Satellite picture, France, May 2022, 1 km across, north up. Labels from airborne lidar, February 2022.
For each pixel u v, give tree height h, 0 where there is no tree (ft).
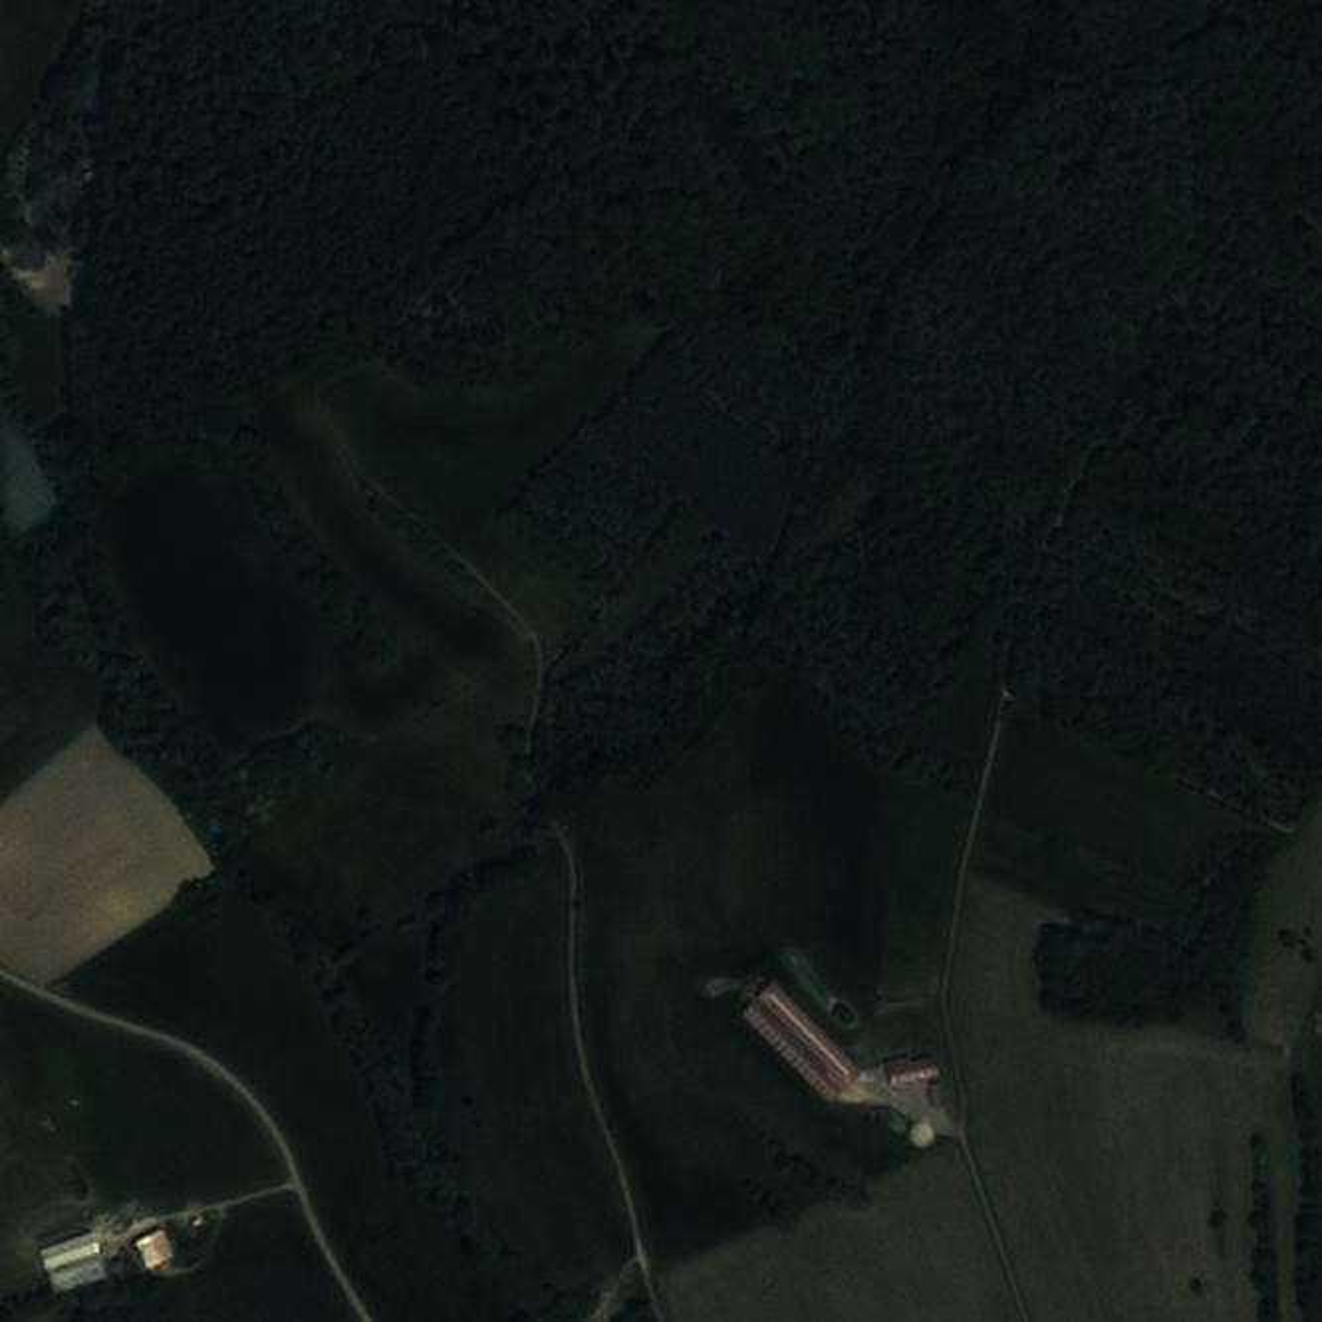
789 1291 0
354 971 0
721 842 0
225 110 92
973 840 0
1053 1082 0
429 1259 0
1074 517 39
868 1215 0
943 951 0
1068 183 87
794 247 48
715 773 0
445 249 96
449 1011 0
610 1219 0
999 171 95
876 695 39
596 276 101
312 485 0
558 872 0
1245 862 30
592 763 58
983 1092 0
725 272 73
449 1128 0
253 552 0
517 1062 0
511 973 0
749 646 45
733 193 75
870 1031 0
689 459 51
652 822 0
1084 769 0
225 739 0
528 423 0
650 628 42
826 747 0
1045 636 63
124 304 71
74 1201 0
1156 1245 0
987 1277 0
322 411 0
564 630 0
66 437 75
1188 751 47
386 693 0
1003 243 57
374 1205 0
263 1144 0
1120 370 85
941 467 70
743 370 47
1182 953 44
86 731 0
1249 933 26
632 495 23
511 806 0
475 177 63
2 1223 0
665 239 109
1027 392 90
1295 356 62
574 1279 0
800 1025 0
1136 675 45
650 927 0
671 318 51
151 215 80
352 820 0
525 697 0
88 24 53
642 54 100
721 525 52
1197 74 75
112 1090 0
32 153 55
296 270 80
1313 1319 23
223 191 87
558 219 110
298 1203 0
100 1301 54
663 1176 0
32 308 20
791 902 0
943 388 85
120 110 69
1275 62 87
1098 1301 0
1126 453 63
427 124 73
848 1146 0
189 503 0
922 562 24
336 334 56
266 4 66
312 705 0
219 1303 0
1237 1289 0
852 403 69
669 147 106
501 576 0
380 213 78
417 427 0
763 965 0
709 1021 0
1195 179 64
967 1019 0
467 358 88
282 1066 0
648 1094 0
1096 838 0
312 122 75
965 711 0
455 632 0
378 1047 32
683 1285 0
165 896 0
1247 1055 0
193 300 81
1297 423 74
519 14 100
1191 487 73
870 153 36
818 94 103
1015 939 0
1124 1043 0
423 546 28
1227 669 37
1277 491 52
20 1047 0
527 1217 0
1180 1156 0
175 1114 0
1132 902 0
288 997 0
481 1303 0
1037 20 58
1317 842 0
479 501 0
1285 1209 0
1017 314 86
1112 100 89
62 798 0
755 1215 0
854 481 69
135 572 0
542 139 92
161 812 0
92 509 31
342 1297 0
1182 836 0
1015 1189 0
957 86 40
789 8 80
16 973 0
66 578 0
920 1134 0
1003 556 52
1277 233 88
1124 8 92
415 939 0
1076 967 63
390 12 95
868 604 27
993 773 0
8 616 0
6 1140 0
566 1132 0
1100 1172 0
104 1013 0
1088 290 93
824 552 52
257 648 0
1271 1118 0
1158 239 91
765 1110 0
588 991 0
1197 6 87
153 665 0
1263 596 37
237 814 23
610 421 25
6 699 0
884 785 0
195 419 74
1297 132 82
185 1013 0
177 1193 0
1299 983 0
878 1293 0
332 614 47
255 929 0
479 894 27
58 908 0
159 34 80
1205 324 78
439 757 0
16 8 0
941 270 86
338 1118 0
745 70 108
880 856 0
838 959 0
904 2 97
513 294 111
